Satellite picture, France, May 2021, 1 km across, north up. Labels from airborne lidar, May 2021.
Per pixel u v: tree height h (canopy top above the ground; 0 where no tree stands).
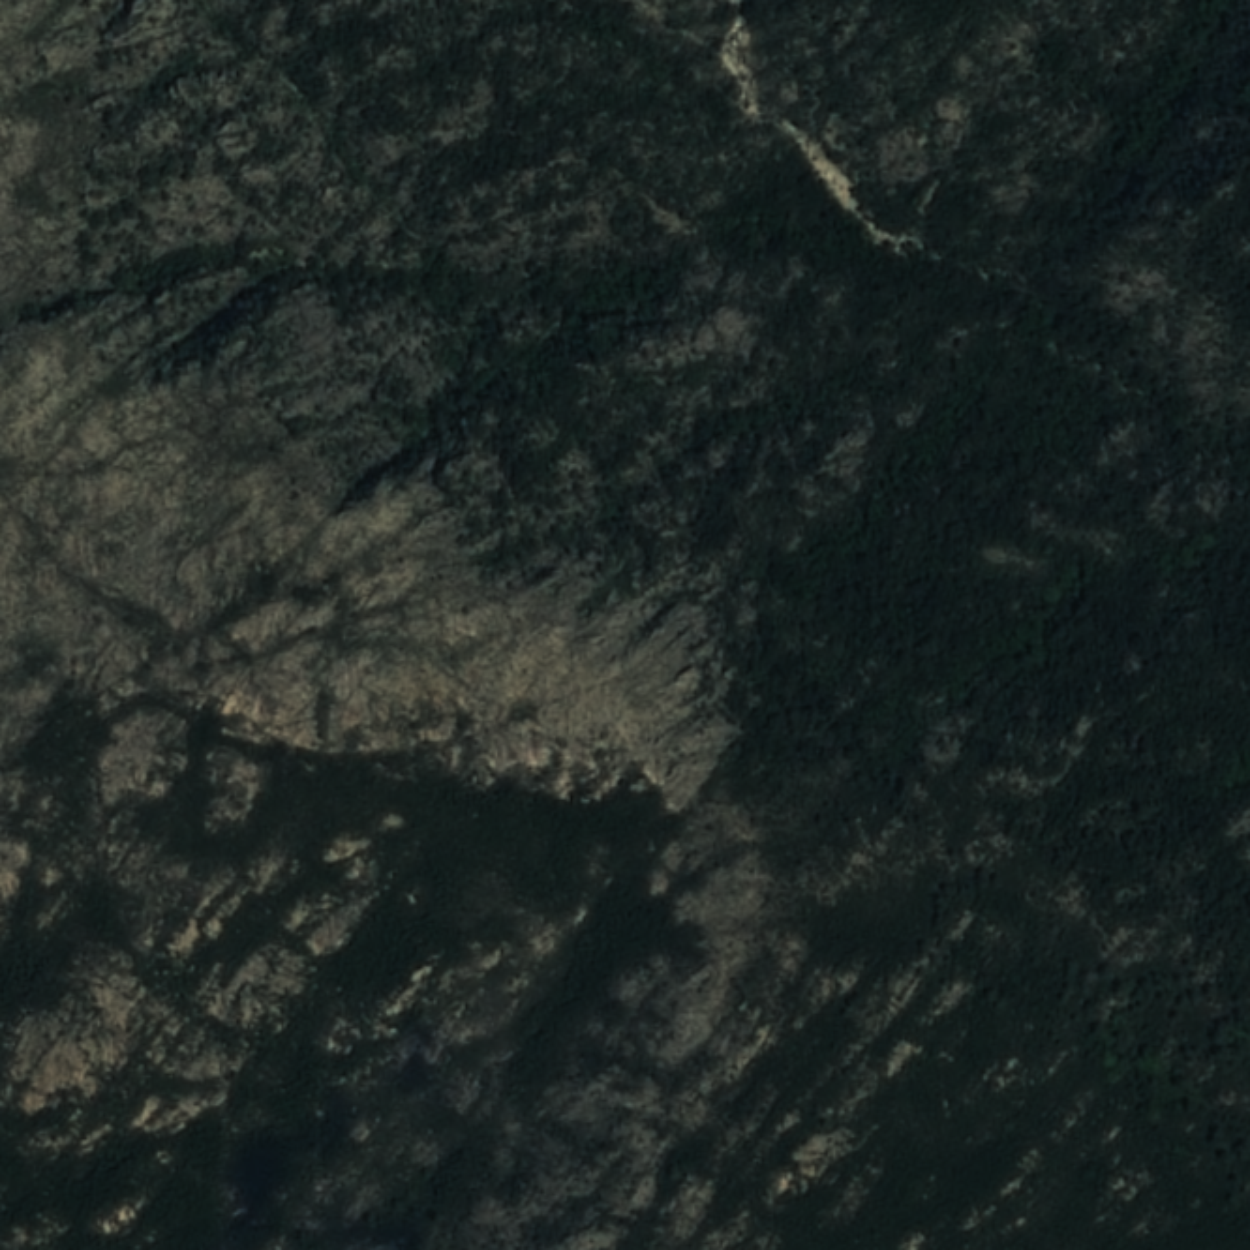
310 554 0
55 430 0
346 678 0
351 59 9
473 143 16
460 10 8
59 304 8
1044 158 8
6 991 7
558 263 17
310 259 15
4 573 0
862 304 8
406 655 0
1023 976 6
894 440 7
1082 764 11
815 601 6
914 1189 7
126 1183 7
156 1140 7
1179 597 9
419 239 10
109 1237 7
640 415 9
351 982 6
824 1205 7
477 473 6
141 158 10
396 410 16
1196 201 11
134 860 0
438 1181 7
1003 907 6
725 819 0
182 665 0
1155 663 12
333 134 9
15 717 0
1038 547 8
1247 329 6
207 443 0
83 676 0
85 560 0
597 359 17
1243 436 6
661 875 0
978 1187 8
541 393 10
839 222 10
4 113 0
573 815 9
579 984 6
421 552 0
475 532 9
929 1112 7
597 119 6
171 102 11
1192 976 11
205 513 0
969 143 10
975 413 7
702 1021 0
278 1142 8
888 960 6
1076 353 12
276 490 0
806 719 10
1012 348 6
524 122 14
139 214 7
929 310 14
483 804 8
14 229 0
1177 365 9
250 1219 6
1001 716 9
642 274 14
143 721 0
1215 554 16
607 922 8
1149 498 17
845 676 7
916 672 10
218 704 0
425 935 7
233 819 0
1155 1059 10
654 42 6
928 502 7
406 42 10
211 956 7
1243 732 8
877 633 12
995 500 7
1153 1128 8
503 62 15
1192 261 8
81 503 0
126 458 0
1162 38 7
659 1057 0
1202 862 6
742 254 6
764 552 6
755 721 16
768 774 10
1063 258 7
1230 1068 23
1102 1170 9
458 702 0
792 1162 7
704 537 10
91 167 14
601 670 0
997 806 12
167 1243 7
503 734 0
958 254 18
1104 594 7
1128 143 24
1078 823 11
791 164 6
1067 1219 6
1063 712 10
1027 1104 6
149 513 0
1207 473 13
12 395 0
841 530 11
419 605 0
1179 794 14
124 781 0
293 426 14
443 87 13
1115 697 16
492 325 17
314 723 0
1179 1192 7
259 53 10
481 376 10
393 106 10
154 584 0
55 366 0
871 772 9
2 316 0
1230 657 8
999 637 13
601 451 12
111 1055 0
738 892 0
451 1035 0
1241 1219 8
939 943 10
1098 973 21
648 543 13
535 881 6
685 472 10
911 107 13
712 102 17
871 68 5
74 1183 6
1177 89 12
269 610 0
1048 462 14
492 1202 0
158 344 6
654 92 13
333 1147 8
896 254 10
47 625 0
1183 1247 7
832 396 9
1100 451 5
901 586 15
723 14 10
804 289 7
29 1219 6
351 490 14
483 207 9
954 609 12
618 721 0
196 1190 7
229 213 8
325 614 0
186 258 9
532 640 0
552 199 9
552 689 0
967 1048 7
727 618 8
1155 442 6
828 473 15
